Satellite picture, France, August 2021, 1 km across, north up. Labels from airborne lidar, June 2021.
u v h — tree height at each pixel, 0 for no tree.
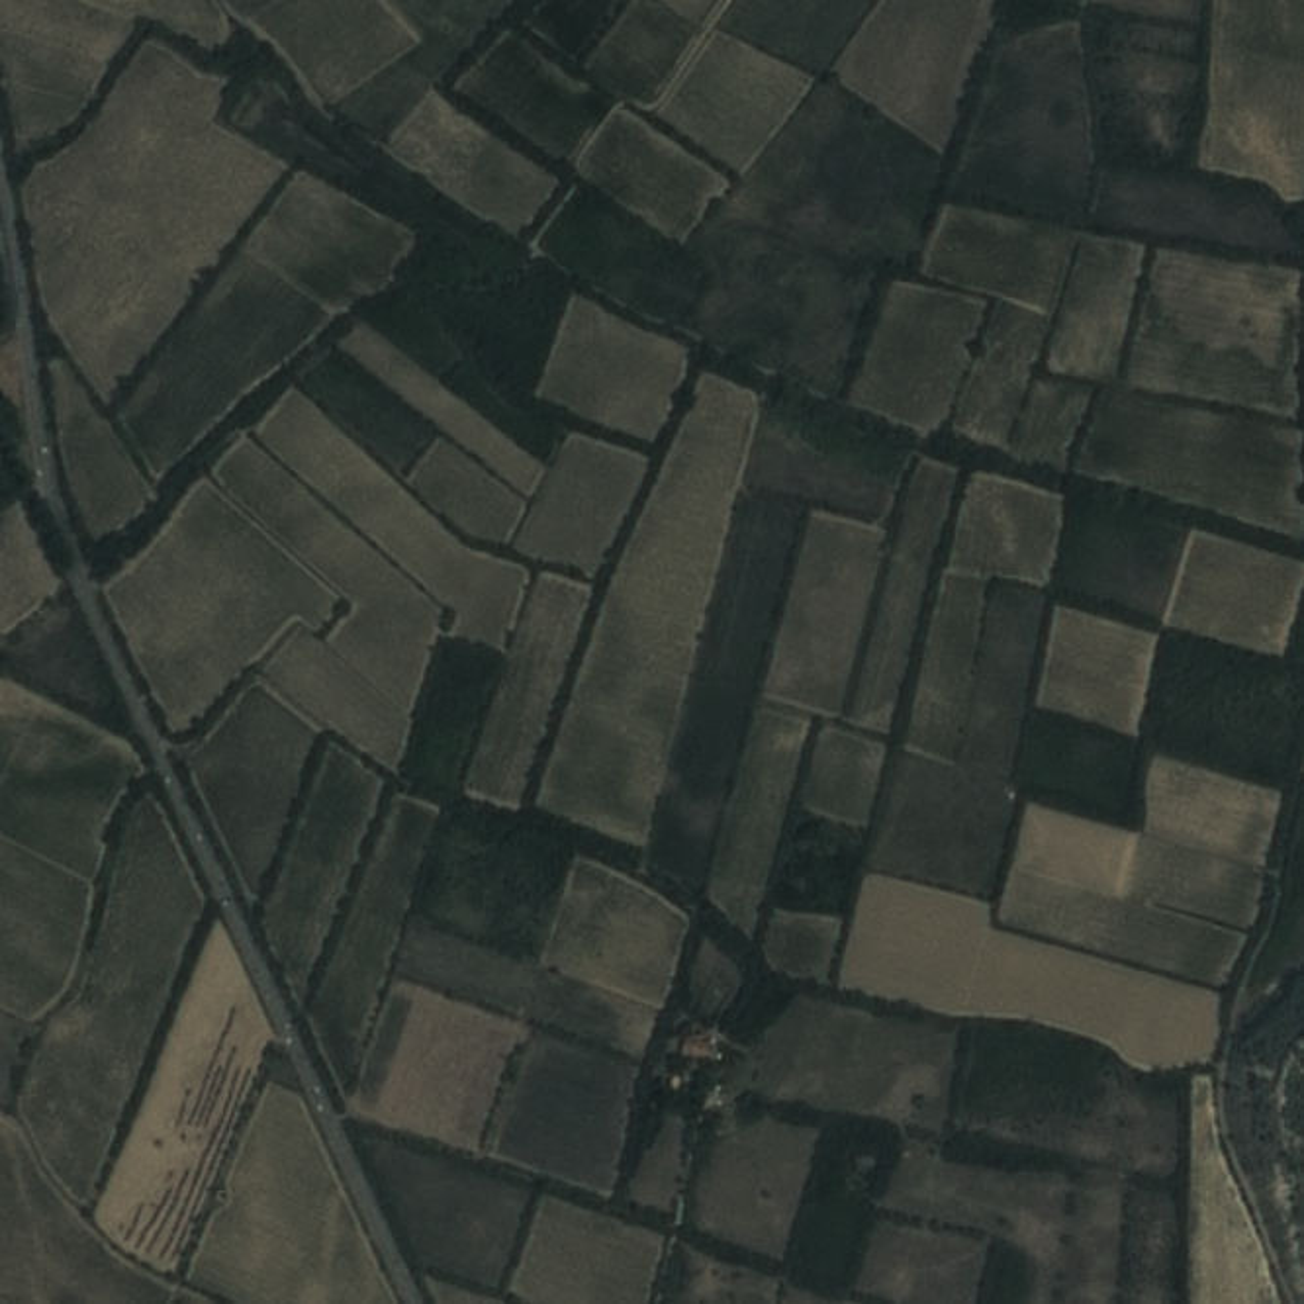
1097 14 7
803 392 10
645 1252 0
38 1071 0
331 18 0
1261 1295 0
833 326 0
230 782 0
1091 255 0
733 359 9
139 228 0
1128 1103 0
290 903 0
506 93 0
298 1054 0
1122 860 0
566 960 0
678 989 6
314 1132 0
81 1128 0
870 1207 6
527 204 0
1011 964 0
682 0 0
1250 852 0
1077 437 8
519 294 11
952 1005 0
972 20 0
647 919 0
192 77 0
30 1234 0
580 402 0
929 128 0
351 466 0
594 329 0
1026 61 0
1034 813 0
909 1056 0
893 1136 7
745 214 0
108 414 11
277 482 0
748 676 0
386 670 0
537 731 0
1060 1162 6
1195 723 7
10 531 0
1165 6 0
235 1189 0
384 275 0
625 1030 0
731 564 0
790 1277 11
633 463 0
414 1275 8
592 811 0
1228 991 9
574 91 0
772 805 0
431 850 9
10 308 10
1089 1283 0
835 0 0
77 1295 0
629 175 0
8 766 0
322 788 0
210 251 0
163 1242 0
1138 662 0
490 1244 0
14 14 0
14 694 0
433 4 0
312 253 0
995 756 0
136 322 0
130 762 0
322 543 0
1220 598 0
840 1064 0
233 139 0
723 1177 0
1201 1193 0
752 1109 11
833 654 0
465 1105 0
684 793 0
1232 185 7
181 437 0
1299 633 10
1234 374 0
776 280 0
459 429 0
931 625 6
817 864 7
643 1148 7
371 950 0
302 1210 0
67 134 11
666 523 0
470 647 10
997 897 8
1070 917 0
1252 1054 8
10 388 0
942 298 0
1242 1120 0
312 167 8
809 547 0
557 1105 0
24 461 18
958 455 19
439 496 0
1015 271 0
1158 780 0
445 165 0
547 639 0
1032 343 0
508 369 17
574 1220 0
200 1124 0
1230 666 6
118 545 10
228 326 0
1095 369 0
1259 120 0
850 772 0
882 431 13
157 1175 0
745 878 0
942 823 0
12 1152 0
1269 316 0
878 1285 0
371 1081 0
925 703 0
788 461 0
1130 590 0
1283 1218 0
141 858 0
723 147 0
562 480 0
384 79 0
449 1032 0
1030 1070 6
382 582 0
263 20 0
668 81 0
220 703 8
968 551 0
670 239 8
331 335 9
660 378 0
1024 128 0
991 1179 0
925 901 0
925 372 0
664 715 0
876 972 0
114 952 0
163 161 0
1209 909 0
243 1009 0
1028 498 0
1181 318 0
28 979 0
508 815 9
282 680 0
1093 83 7
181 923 0
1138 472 0
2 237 0
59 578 8
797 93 0
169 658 0
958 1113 6
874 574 0
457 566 0
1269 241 0
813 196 0
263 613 0
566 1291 0
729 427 0
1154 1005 0
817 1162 6
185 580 0
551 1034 7
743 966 8
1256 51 0
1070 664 0
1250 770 8
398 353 0
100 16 0
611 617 0
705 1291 0
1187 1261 6
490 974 0
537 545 0
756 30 0
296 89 8
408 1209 0
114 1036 0
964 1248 0
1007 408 0
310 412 0
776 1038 0
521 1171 6
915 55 0
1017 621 0
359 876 7
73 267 0
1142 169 7
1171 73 0
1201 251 6
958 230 0
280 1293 0
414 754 6
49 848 0
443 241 6
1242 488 0
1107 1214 0
